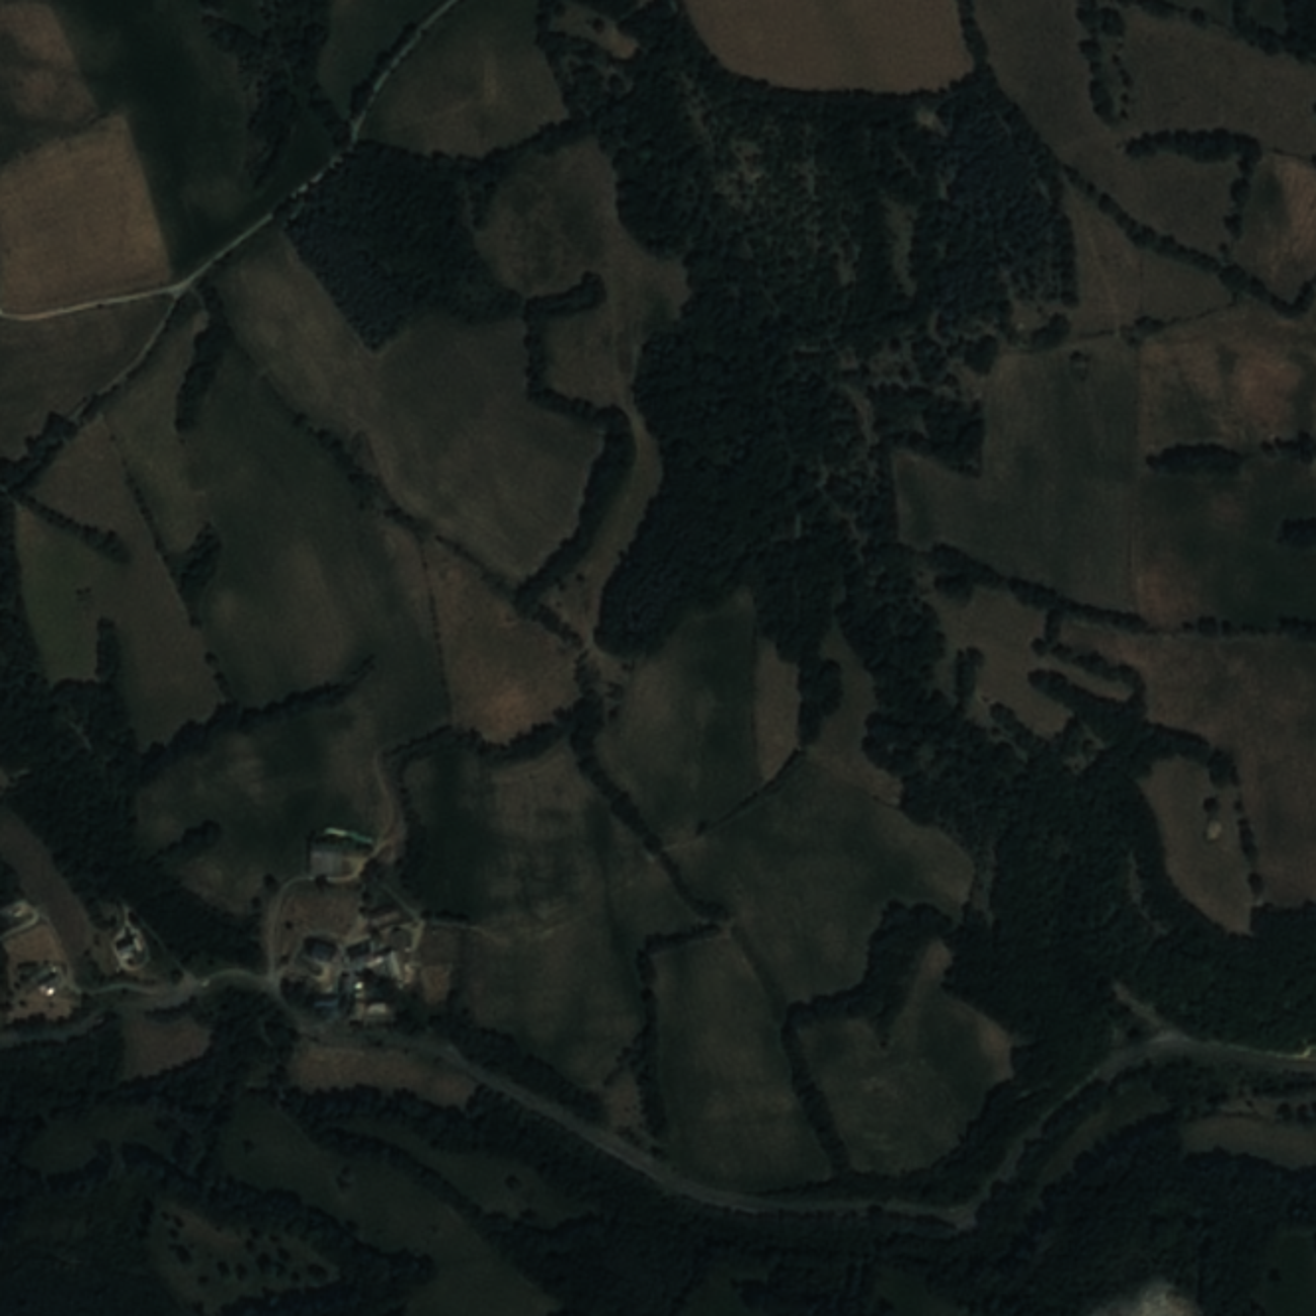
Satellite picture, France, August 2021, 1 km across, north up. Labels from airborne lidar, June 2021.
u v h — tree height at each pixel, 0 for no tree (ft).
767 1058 0
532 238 0
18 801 38
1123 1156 89
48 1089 36
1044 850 23
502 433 0
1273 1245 48
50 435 29
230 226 0
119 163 0
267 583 0
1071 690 51
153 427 0
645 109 31
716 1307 0
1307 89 0
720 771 0
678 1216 24
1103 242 0
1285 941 38
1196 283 0
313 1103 41
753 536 29
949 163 47
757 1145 0
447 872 0
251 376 0
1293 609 0
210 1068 53
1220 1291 52
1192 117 0
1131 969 42
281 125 25
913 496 0
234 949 29
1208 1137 0
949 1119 0
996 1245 47
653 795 0
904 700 56
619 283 0
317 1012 30
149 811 0
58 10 0
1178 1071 25
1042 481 0
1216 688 0
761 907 0
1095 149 0
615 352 0
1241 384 0
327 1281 26
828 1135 45
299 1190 0
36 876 0
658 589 51
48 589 0
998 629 0
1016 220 55
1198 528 0
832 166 31
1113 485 0
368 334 35
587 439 0
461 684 0
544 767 0
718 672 0
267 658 0
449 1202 25
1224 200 0
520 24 0
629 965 0
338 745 0
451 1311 0
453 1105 0
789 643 42
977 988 35
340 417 0
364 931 0
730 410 62
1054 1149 50
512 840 0
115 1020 50
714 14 0
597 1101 37
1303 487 0
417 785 0
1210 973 46
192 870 0
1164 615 0
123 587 0
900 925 31
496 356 0
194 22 0
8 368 0
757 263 31
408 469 0
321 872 0
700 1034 0
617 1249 49
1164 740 52
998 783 26
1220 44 0
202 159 0
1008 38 0
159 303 0
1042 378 0
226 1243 0
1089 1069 25
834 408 36
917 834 0
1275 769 0
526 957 0
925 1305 0
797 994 0
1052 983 29
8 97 0
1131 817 57
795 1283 43
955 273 52
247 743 0
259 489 0
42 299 0
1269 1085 19
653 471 0
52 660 0
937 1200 36
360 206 25
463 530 0
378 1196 0
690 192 24
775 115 23
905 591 28
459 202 47
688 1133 0
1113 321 0
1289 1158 0
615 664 0
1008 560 0
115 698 41
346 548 0
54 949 0
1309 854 0
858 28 0
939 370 47
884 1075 0
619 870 0
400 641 0
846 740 0
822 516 31
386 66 35
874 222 28
